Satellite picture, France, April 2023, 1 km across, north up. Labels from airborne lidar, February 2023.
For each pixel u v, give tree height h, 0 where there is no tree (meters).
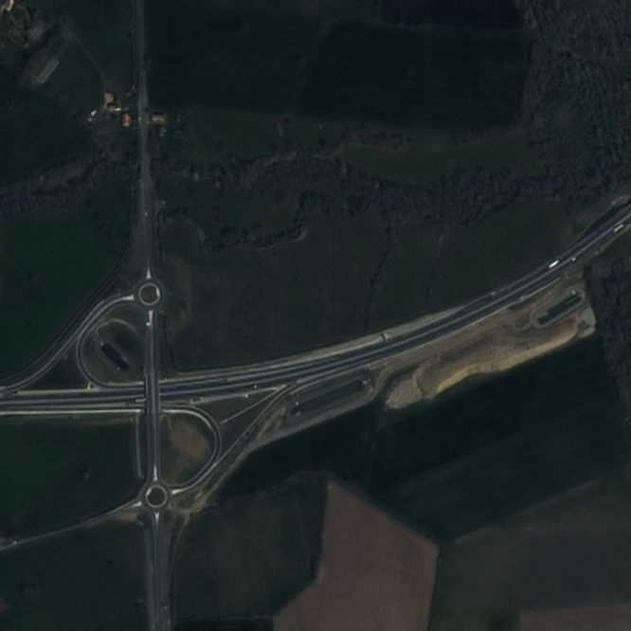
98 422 0
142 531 0
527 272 0
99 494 0
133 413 0
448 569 0
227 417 0
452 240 0
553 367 0
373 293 8
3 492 0
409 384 0
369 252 0
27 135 0
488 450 0
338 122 0
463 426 0
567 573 0
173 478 0
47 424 0
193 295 0
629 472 0
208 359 0
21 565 0
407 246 0
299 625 0
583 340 0
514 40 0
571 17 30
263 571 0
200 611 0
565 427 0
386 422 0
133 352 0
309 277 0
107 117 9
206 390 0
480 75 0
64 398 0
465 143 16
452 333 0
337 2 0
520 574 0
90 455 0
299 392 0
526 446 0
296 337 0
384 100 0
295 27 0
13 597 0
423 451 0
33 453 0
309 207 16
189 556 0
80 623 0
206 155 0
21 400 0
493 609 0
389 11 0
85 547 0
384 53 0
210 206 0
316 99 0
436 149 0
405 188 0
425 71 0
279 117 0
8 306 0
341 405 0
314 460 0
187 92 0
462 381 0
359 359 0
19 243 0
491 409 0
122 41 0
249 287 0
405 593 0
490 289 0
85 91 0
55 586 0
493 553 0
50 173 14
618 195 0
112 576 0
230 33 0
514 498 0
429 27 0
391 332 0
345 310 0
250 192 18
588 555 0
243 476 0
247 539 0
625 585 0
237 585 0
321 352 0
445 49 0
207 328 0
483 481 0
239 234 12
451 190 22
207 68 0
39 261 0
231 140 0
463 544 0
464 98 0
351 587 0
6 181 0
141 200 0
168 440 0
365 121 0
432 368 0
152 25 0
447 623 0
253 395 0
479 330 0
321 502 0
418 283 0
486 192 19
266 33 0
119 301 0
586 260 0
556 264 0
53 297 0
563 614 0
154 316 0
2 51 17
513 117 0
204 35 0
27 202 25
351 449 0
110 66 0
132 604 0
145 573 0
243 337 0
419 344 0
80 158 9
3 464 0
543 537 0
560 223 0
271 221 0
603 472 0
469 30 0
